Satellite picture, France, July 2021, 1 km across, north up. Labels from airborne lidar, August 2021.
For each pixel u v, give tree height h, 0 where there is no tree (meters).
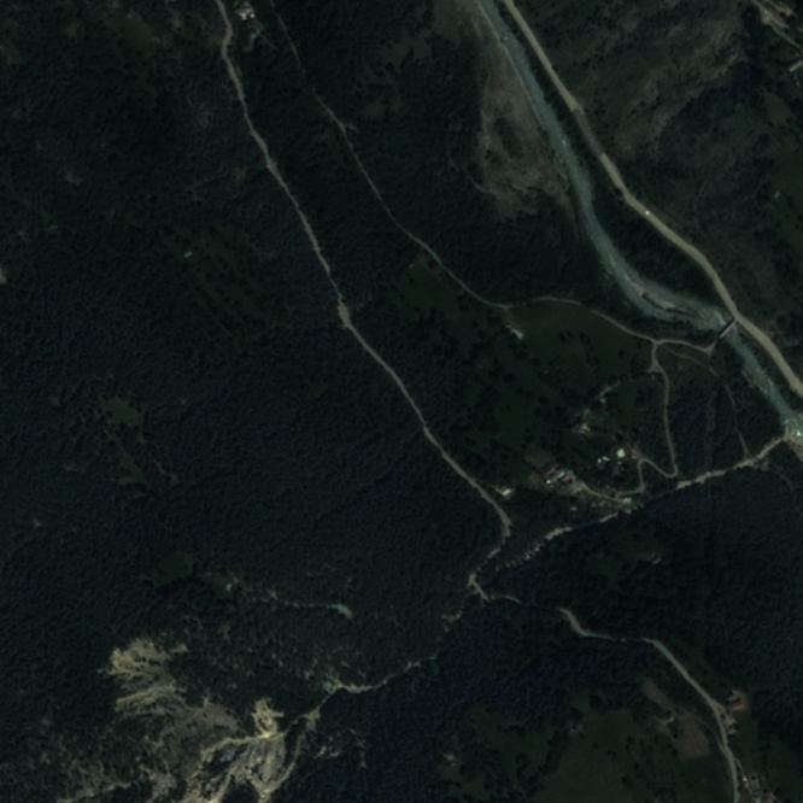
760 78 16
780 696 15
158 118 15
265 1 13
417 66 14
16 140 14
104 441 9
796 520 16
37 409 15
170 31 9
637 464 0
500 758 13
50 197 10
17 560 12
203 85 12
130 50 16
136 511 20
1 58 14
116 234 14
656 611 22
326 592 16
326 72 16
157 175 19
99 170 18
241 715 8
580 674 26
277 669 13
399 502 19
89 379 13
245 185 11
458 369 19
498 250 13
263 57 19
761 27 10
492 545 13
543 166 0
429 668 18
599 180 7
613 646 12
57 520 16
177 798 8
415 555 24
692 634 21
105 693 16
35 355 16
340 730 9
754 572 19
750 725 0
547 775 11
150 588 14
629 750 8
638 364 8
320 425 19
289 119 16
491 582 23
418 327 15
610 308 10
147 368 20
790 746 17
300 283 22
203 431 19
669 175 5
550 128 0
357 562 17
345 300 11
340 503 12
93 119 8
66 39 11
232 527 29
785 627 18
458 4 0
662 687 12
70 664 14
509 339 9
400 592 21
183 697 10
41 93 11
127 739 8
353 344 20
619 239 10
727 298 0
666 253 15
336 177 13
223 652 8
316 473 19
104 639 11
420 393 16
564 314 0
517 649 13
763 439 9
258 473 20
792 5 0
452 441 16
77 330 6
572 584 10
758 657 17
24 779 8
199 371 10
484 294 11
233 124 15
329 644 9
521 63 0
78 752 7
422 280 0
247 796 12
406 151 10
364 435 18
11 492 14
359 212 19
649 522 14
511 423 0
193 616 6
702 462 11
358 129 9
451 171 6
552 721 11
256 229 10
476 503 24
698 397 10
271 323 6
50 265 14
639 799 0
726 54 6
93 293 18
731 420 10
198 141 13
